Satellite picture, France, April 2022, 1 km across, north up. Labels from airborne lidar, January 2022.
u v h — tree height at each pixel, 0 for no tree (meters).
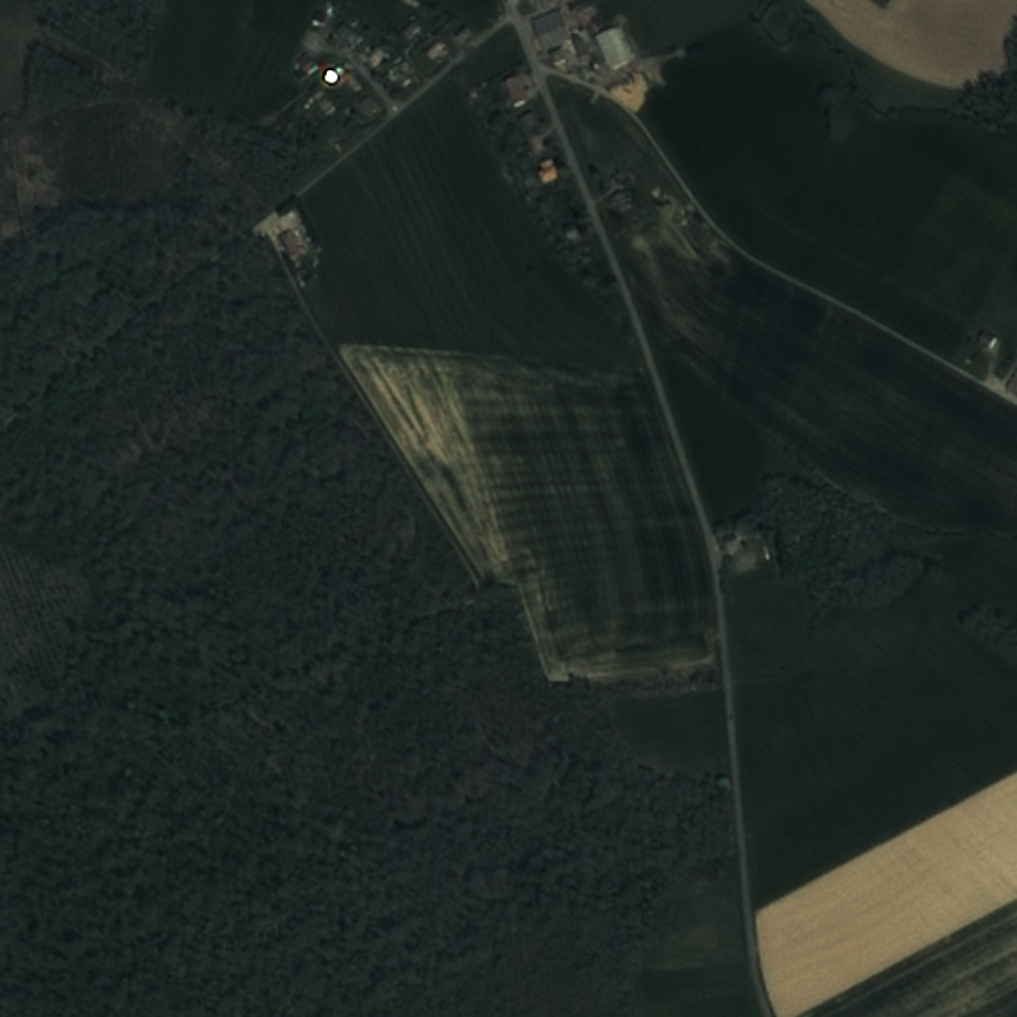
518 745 19
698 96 0
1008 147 0
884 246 0
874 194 0
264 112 0
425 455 0
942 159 0
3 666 0
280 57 0
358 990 12
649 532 0
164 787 20
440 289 0
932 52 0
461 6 0
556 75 0
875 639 0
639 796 21
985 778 0
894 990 0
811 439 0
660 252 0
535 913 26
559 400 0
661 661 0
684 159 0
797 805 0
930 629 0
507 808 22
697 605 0
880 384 0
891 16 0
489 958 23
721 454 0
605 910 24
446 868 21
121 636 26
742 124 0
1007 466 0
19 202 0
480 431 0
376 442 23
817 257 0
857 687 0
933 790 0
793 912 0
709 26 0
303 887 23
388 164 0
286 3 0
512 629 17
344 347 0
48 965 19
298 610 24
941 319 0
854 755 0
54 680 0
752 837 0
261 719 0
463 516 0
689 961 0
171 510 23
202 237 27
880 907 0
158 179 0
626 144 0
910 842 0
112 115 0
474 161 0
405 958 20
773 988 0
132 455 29
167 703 0
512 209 0
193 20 0
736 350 0
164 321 26
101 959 19
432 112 0
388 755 0
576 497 0
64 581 0
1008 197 0
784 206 0
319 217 0
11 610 0
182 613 31
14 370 23
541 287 0
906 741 0
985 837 0
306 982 27
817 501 14
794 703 0
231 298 27
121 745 0
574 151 0
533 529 0
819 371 0
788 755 0
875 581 19
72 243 21
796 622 0
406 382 0
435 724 17
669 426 0
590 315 0
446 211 0
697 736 0
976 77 0
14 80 0
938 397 0
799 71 0
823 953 0
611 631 0
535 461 0
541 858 22
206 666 26
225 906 27
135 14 21
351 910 13
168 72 0
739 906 0
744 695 0
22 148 0
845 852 0
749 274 0
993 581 0
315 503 27
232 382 20
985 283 0
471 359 0
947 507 0
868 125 0
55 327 24
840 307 0
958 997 0
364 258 0
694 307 0
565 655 0
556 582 0
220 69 0
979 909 0
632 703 0
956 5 0
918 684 0
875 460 0
